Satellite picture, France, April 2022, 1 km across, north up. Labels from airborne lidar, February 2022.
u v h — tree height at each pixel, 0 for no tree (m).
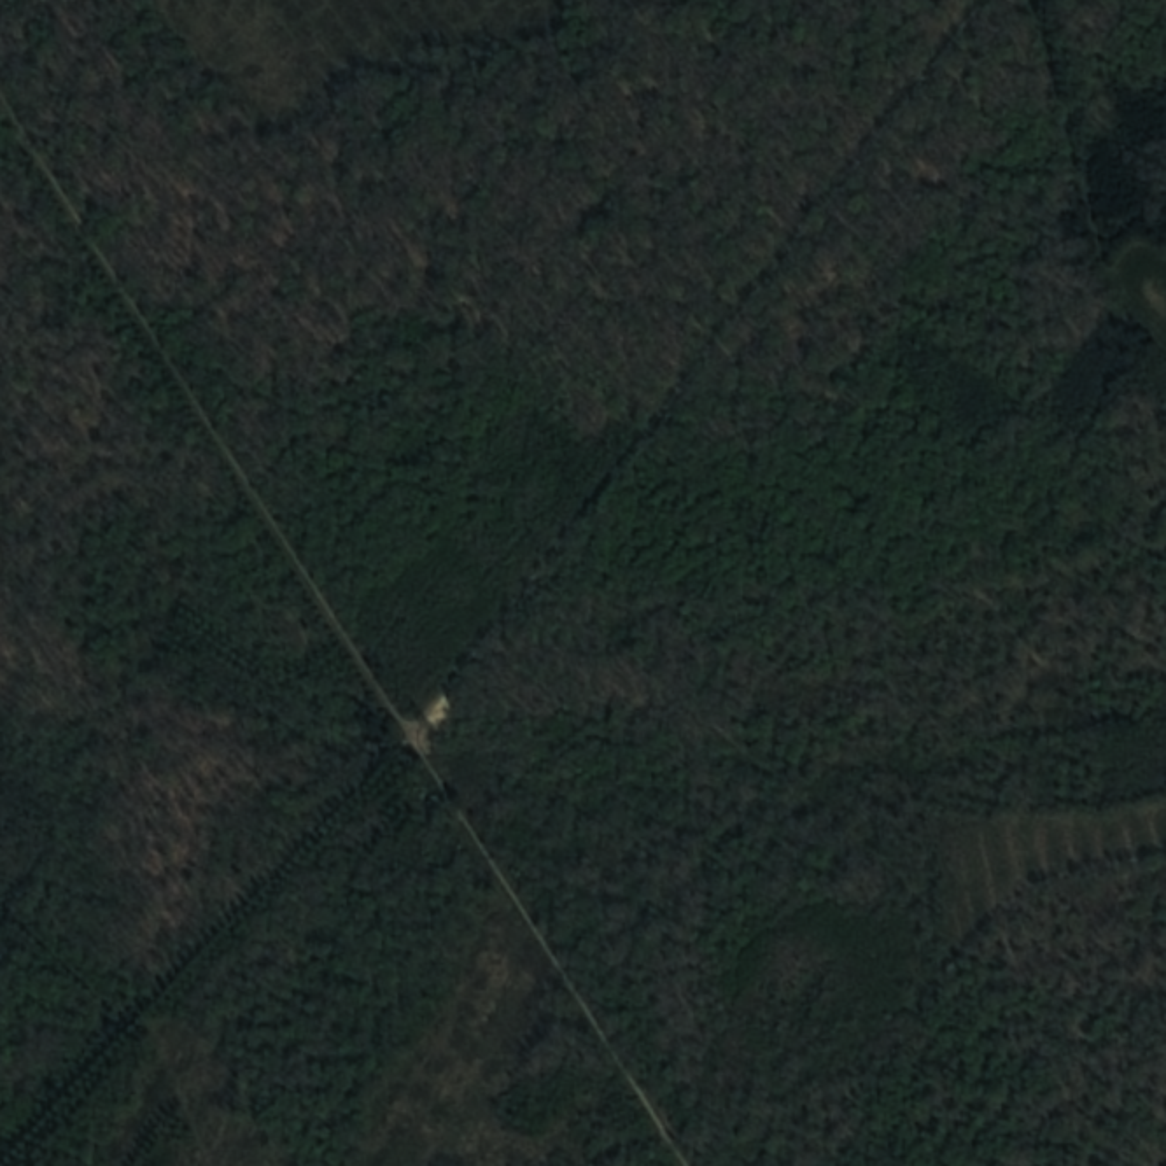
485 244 26
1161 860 17
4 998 25
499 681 25
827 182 24
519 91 29
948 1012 23
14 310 29
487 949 0
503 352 27
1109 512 24
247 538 24
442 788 0
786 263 20
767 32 28
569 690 29
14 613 26
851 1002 14
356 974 25
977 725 23
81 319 26
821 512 23
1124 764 9
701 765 27
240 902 22
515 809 25
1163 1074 29
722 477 24
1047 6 27
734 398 25
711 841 22
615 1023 25
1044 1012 18
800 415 25
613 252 26
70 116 25
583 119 31
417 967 25
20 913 23
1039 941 25
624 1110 13
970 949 14
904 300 29
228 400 21
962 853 0
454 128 29
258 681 15
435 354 28
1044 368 22
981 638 24
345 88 23
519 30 0
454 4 0
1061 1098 20
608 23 24
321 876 25
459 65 24
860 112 18
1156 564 20
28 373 25
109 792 24
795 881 26
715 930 20
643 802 24
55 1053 25
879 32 26
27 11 28
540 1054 22
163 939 9
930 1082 19
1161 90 18
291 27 0
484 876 22
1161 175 29
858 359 25
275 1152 25
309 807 25
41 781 20
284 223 31
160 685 25
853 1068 17
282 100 0
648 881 23
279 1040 23
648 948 26
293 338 31
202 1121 0
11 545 25
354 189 28
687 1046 22
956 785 20
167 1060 0
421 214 30
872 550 22
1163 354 6
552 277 30
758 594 13
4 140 25
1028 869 0
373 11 0
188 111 26
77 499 26
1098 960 22
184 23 0
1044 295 30
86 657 10
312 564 21
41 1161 34
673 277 26
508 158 28
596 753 23
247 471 20
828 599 22
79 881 22
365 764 22
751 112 30
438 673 10
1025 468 19
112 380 25
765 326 29
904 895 22
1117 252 10
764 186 24
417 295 30
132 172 24
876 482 17
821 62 28
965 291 18
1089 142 19
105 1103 26
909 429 20
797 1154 18
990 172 18
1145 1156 23
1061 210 23
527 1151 0
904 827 27
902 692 21
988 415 8
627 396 25
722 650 24
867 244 31
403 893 26
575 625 23
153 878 25
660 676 27
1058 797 19
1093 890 22
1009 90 24
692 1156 22
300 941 27
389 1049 26
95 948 23
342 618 15
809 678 25
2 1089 25
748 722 25
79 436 28
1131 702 20
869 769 19
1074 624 20
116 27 26
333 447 21
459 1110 0
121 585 24
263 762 30
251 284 26
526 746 24
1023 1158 24
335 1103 25
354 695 21
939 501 20
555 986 0
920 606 16
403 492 22
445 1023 0
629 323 28
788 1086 21
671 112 30
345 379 29
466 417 26
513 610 19
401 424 22
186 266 22
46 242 26
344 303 31
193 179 30
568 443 8
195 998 24
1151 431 23
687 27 29
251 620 23
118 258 24
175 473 27
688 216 26
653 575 22
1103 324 10
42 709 26
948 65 24
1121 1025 13
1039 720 22
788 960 14
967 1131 14
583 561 22
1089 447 19
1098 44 26
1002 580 24
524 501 15
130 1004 23
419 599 10
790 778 24
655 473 21
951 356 9
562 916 27
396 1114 0
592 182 25
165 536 23
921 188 32
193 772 24
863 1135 21
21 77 26
